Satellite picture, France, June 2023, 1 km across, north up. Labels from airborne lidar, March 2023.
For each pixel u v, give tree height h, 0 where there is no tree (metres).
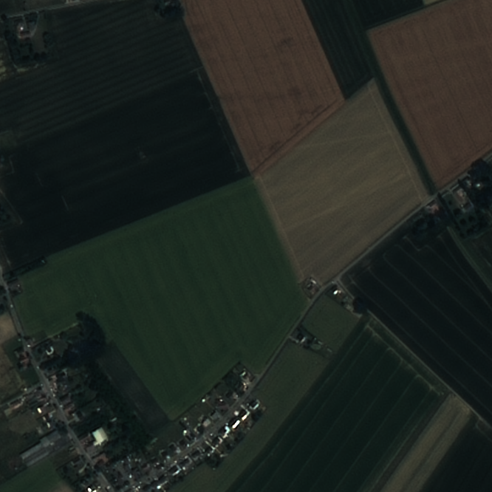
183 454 0
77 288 0
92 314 0
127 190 0
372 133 0
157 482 0
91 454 0
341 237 0
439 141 0
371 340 0
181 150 0
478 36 0
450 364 0
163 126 0
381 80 0
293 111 0
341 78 0
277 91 0
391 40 0
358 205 0
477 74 0
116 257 0
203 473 0
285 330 0
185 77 0
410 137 0
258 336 0
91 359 7
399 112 0
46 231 0
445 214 28
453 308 0
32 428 0
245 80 0
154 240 0
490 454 0
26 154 0
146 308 0
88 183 0
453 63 0
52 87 0
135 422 11
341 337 0
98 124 0
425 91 0
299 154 0
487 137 0
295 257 0
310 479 0
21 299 0
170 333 0
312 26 0
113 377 0
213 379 0
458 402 0
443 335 0
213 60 0
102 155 0
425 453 0
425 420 0
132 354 0
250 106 0
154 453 0
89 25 0
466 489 0
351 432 0
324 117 0
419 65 0
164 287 0
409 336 0
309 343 11
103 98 0
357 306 22
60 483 0
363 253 0
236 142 0
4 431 0
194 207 0
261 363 0
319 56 0
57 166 0
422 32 0
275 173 0
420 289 0
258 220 0
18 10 0
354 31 0
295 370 0
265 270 0
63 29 0
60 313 0
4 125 0
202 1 0
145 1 0
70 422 0
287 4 0
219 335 0
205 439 0
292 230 0
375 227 0
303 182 0
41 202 0
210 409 0
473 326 0
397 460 0
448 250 0
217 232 0
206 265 0
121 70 0
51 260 0
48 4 0
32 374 0
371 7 0
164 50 0
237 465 0
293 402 0
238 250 0
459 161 0
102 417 6
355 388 0
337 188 0
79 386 8
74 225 0
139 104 0
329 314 0
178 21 0
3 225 0
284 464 0
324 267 0
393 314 0
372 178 0
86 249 0
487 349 0
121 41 0
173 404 0
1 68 0
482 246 0
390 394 0
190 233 0
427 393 0
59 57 0
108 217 0
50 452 0
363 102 0
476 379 0
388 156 0
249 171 0
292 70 0
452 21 0
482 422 0
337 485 0
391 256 0
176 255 0
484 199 28
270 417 0
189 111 0
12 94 0
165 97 0
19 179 0
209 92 0
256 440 0
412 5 0
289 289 0
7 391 0
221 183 0
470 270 0
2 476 0
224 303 0
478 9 0
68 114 0
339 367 0
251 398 0
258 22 0
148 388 0
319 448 0
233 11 0
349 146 0
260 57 0
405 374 0
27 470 0
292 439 0
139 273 0
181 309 0
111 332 0
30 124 0
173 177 0
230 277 0
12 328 0
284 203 0
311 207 0
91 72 0
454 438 0
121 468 0
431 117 0
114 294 0
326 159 0
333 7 0
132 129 0
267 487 0
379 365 0
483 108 0
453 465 0
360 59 0
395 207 0
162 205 0
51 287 0
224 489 0
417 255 0
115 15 0
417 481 0
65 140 0
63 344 0
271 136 0
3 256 0
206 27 0
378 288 0
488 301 0
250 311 0
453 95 0
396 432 0
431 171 0
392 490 0
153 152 0
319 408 0
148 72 0
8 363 0
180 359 0
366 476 0
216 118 0
